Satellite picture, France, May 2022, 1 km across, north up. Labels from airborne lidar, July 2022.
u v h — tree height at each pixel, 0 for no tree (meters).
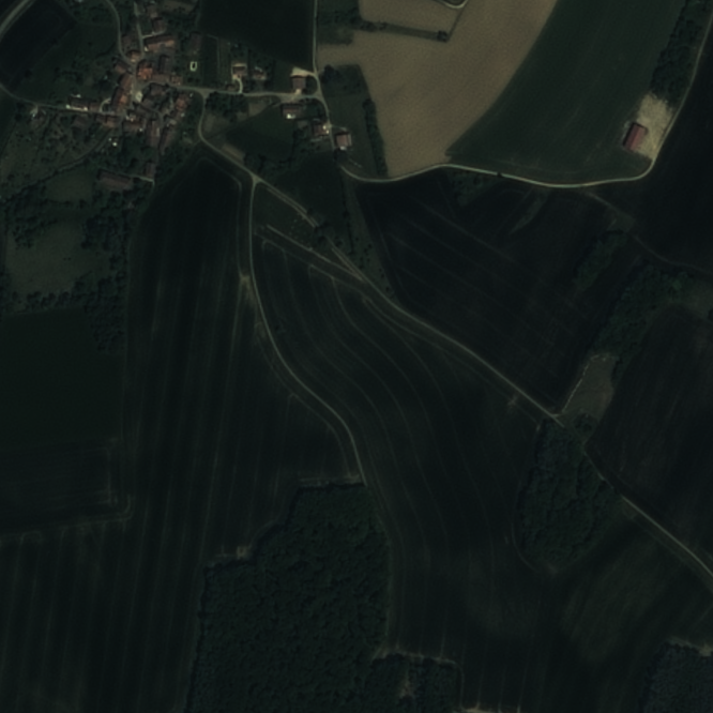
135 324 0
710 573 0
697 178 0
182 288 0
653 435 0
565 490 14
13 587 0
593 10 0
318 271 0
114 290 16
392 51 0
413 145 0
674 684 25
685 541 0
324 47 0
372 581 24
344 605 26
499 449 0
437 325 0
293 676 23
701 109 0
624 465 0
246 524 0
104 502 0
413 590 0
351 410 0
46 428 0
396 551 0
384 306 0
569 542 16
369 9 0
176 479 0
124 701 0
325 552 21
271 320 0
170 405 0
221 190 0
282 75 0
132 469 0
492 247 0
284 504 0
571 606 0
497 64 0
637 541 0
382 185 0
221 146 0
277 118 0
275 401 0
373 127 14
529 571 0
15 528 0
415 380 0
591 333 0
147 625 0
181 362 0
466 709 0
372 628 21
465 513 0
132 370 0
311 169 0
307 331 0
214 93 7
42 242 0
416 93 0
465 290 0
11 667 0
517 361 0
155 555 0
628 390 0
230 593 23
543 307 0
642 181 0
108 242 24
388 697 30
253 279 0
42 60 0
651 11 0
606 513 9
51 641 0
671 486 0
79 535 0
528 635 0
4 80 0
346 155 12
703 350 0
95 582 0
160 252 0
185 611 0
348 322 0
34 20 0
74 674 0
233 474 0
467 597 0
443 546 0
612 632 0
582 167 0
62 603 0
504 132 0
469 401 0
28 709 0
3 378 0
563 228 0
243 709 22
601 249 20
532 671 0
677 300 14
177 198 0
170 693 0
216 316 0
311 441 0
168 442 0
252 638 22
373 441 0
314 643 20
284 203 0
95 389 0
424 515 0
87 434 0
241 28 0
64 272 0
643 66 0
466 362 0
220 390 0
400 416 0
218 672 24
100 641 0
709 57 0
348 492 17
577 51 0
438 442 0
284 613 22
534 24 0
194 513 0
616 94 0
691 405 0
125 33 10
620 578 0
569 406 0
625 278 0
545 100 0
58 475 0
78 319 0
